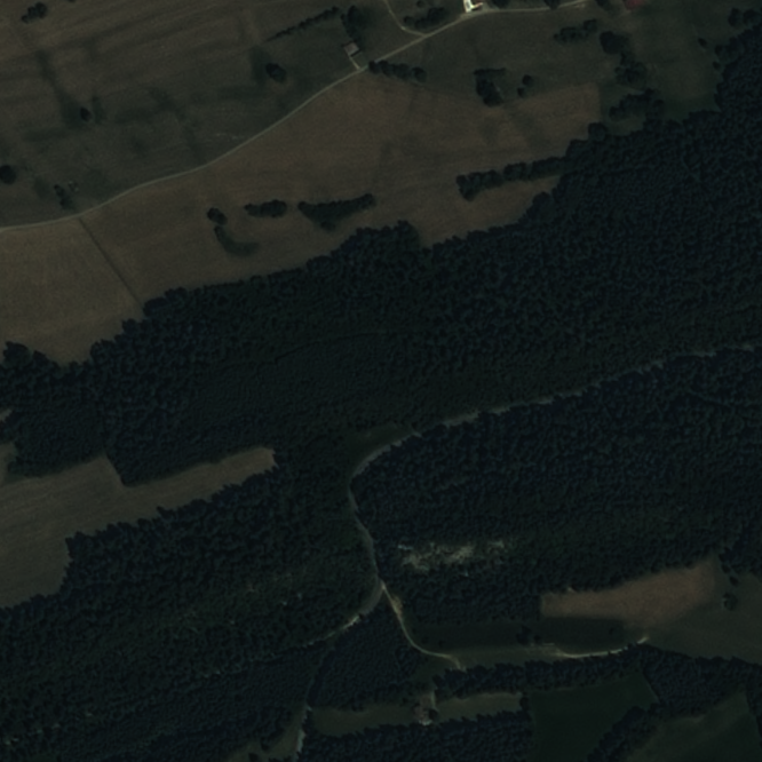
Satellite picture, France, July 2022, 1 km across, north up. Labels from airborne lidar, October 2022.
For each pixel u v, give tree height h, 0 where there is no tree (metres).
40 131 0
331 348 10
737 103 27
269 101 0
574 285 20
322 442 18
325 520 19
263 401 8
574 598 0
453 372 19
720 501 17
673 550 32
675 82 0
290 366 9
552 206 24
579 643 0
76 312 0
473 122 0
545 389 21
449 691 15
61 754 19
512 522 17
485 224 0
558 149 0
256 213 10
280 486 26
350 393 6
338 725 0
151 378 10
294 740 0
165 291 0
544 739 0
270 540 31
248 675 22
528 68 0
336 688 23
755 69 18
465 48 0
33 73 0
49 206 0
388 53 0
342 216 7
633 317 22
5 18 0
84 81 0
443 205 0
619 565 28
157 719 19
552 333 22
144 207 0
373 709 0
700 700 28
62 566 0
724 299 19
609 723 0
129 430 25
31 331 0
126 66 0
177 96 0
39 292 0
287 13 0
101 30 0
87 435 19
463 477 25
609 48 21
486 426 11
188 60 0
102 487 0
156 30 0
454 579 16
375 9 0
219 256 0
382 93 0
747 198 24
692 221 26
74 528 0
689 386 28
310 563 11
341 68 0
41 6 12
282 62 0
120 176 0
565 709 0
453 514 19
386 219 0
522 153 0
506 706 0
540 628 0
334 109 0
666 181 21
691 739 0
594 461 27
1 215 0
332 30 0
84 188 0
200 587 17
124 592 22
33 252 0
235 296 11
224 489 0
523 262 23
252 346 15
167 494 0
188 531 30
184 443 22
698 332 23
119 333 0
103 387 17
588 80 0
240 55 0
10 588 0
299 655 21
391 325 8
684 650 0
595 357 14
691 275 26
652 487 18
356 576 18
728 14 0
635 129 0
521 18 0
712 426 28
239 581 12
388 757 21
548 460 22
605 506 14
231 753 30
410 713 0
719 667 22
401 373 14
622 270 16
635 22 0
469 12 0
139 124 0
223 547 16
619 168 22
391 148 0
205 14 0
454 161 0
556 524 14
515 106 0
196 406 11
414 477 22
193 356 27
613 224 25
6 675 9
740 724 0
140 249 0
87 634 20
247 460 0
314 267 15
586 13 0
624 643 0
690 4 0
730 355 34
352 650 23
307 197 0
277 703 23
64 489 0
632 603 0
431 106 0
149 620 9
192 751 30
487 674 26
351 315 12
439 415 22
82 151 0
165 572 15
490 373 15
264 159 0
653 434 29
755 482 21
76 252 0
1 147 0
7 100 0
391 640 23
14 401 19
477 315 22
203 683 16
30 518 0
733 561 29
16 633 16
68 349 0
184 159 0
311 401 7
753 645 0
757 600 0
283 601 10
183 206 0
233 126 0
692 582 0
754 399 32
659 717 19
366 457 0
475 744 30
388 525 15
